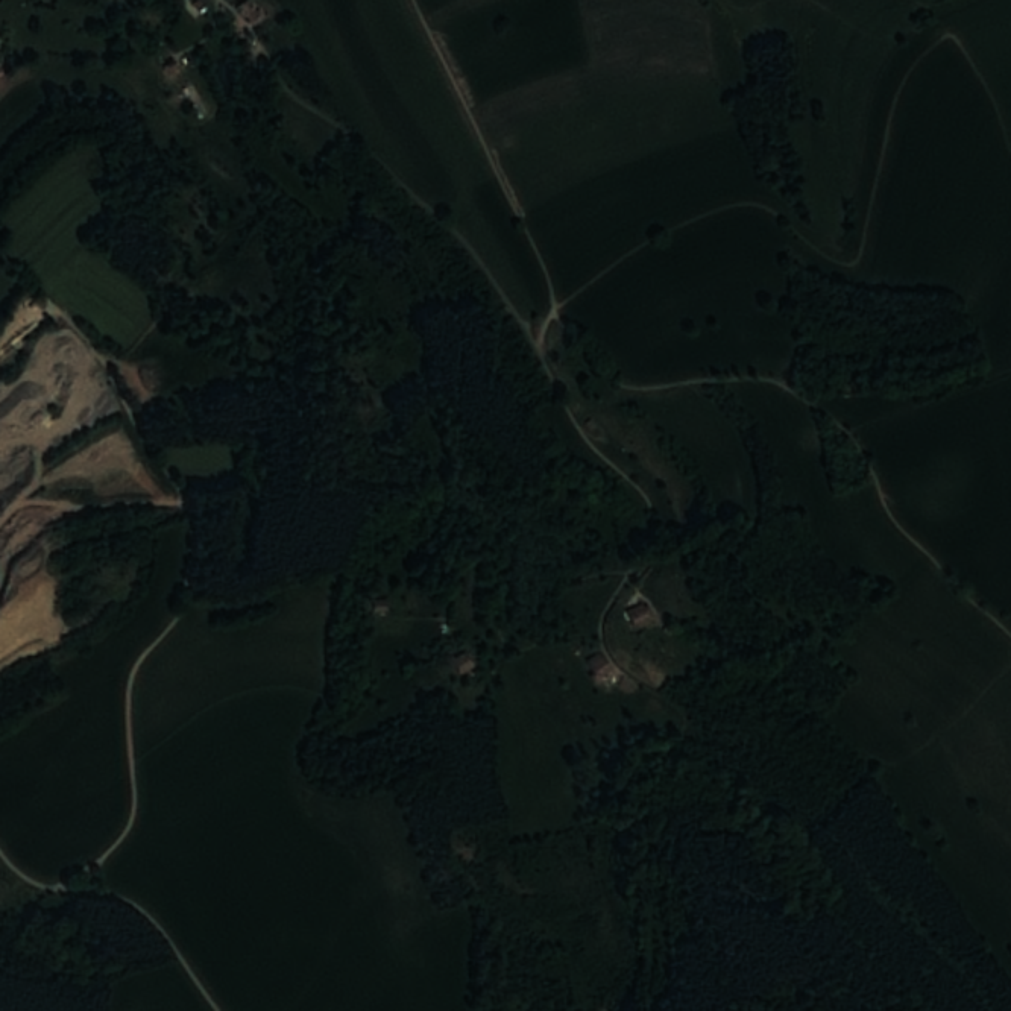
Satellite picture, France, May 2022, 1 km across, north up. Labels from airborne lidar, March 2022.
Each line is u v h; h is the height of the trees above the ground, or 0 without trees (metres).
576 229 0
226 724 0
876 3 0
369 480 23
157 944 24
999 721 0
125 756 0
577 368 0
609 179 0
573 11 0
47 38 0
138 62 0
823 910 24
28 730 0
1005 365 0
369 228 31
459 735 20
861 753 6
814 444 0
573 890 0
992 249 0
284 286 8
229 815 0
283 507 27
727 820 13
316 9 0
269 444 33
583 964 0
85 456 0
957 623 0
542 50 0
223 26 12
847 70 0
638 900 12
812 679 14
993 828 0
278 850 0
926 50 0
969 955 21
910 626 0
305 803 0
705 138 0
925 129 0
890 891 20
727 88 0
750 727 10
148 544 11
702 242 0
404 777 14
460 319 20
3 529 0
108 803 0
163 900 0
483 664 7
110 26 15
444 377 28
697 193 0
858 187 0
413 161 0
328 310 13
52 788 0
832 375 25
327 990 0
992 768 0
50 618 0
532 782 0
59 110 19
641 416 13
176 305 18
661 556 24
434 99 0
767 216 0
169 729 0
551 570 20
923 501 0
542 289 0
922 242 0
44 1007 17
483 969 23
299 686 0
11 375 9
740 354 0
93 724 0
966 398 0
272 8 0
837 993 16
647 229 0
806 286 14
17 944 20
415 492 24
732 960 24
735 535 19
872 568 0
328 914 0
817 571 15
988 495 0
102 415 0
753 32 0
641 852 27
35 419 0
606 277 0
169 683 0
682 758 25
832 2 0
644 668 0
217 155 0
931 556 0
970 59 0
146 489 0
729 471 0
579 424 0
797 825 31
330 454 32
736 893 19
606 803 25
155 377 0
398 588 15
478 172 0
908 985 17
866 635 0
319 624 0
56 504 0
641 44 0
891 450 0
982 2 0
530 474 18
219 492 26
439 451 0
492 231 0
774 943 25
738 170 0
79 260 0
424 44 0
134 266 21
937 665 0
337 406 24
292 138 0
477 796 18
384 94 0
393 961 0
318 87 24
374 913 0
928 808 0
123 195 20
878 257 0
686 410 0
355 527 24
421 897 0
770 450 13
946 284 0
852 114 0
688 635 17
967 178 0
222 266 0
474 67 0
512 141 0
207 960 0
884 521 0
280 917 0
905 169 0
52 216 0
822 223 0
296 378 31
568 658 0
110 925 28
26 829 0
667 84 0
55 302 0
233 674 0
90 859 0
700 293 0
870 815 21
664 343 0
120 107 22
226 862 0
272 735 0
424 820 16
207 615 0
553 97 0
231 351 24
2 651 0
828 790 6
